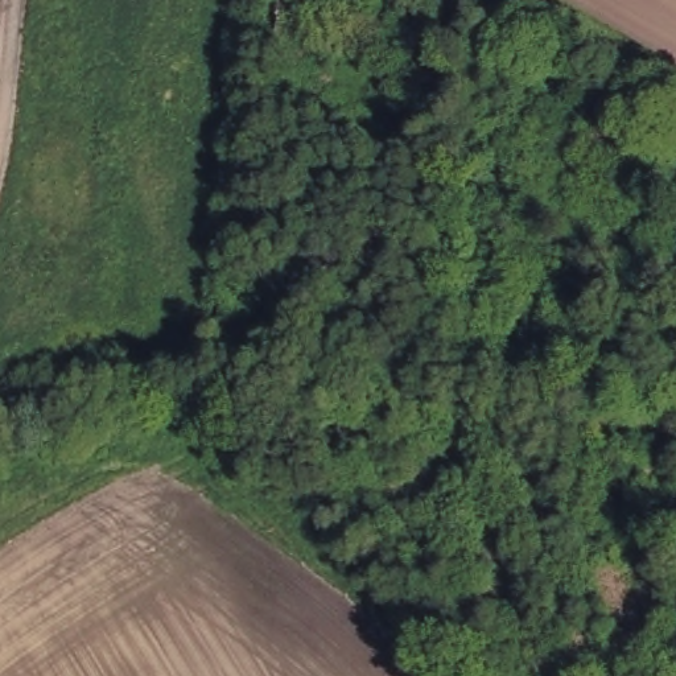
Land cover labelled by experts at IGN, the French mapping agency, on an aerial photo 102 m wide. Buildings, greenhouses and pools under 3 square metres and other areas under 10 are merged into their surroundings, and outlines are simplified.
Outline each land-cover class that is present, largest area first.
<instances>
[{"label":"coniferous trees","instance_id":"1","mask_svg":"<svg viewBox=\"0 0 676 676\"><path fill-rule=\"evenodd\" d=\"M214 13H227L243 21L240 61L224 71L230 106L251 103L254 114L243 124L235 143L217 140L219 182L227 187V193H217L211 198V209L227 211L232 224L224 227L211 243V275L201 285H195L193 293L182 301L164 298L161 325L151 335H132L119 330L90 335L63 349L37 346L26 354L11 356L0 372V483L11 475L34 467L37 462H48L50 457H87L103 446V436L111 428L148 409L153 391L169 393L174 399L169 430L182 438L187 452L198 457L211 475H227L235 481V499L272 507L283 502H296V510L304 515V536L312 544H333L346 536V531L354 523H362L364 515L375 512L367 499L351 502L349 496L322 494V475L341 465V454L351 452L354 441L370 438V430L330 425L325 430L312 425V420H296L301 409H309L317 401V388L338 391L343 401H367L375 417L380 420H388V412H404L412 401L428 404L436 401V396H446L452 391L454 428L446 452L430 457L428 465L409 483H401L399 489H386L388 502L393 504L417 502L425 491L436 486L444 470L459 467L462 462H475L478 457H494L499 449L504 454H512V446H523L528 457H533L539 452V441L544 436H555V428L568 430L573 423L581 420L584 409H597V393L605 388L607 378L631 375L639 401L650 399L652 393L676 388V251L668 259L655 256L650 248H639L636 240L623 230H613L610 235H594L578 219L570 235L557 238L552 243L562 248L560 267L539 280V288L531 296L525 314L518 320L512 333L502 343H486L483 338H441L438 330L446 309V296L430 293L425 277L449 275L452 256L457 254L452 232H438L430 224L436 217V203L446 190V182H441V164L436 158V148L452 143V127L433 124L423 132L409 135L404 127L415 116L428 114L433 108L436 98L449 82L459 85L465 79L481 77V48L486 53L499 50L504 42L515 37V24L539 21L541 16H549L555 21V29H568L570 24L589 26L594 29V48H613L618 53L605 82L599 87L586 90L584 100L565 114L562 135L555 143V153L565 174H578L581 169H586L599 148L626 145L636 108L647 100V95H652L660 106L676 111V58L665 50H650L623 37L602 18L573 8L565 0H217ZM285 32L298 42H306L309 50H317L322 55H327L330 50H343L346 63L367 79L362 92L343 103H333L317 90L290 85L283 77L280 55L269 48L272 34L280 37ZM660 177V172L636 156H626L615 172L618 190L626 198H639L642 193L655 190V180ZM642 436L650 441L655 489L626 486L618 478L610 483L607 499L602 502V515L613 523L628 568L644 562L647 552L644 547H639L636 533L658 512H676V409H665L658 423L642 425ZM483 549L489 552V560L494 565V586L473 597L454 599L452 605L433 607L420 602L409 592V576L415 570H430L438 562V552H433L428 533L401 531L391 539V544H372L370 552L356 555L349 562L346 576H359L364 589H372L375 599L391 605V621L401 628L407 621L423 623L425 618H433L441 626H467L475 618L478 607L494 599L504 602L518 621L528 618V602L523 594L531 589L533 573L528 568L512 570V560H507L499 549L496 528L483 531ZM584 655H594L602 663L605 676H615V660L626 655V647L610 636L605 642L584 639L552 650L541 660L539 676H560V671L573 668Z\"/></svg>","mask_w":676,"mask_h":676},{"label":"deciduous trees","instance_id":"2","mask_svg":"<svg viewBox=\"0 0 676 676\"><path fill-rule=\"evenodd\" d=\"M618 53L613 48H594V29L589 26L570 24L568 29H555V21L549 16H541L539 21L515 24V37L504 42L499 50L486 53L481 48V77L465 79L459 85L449 82L436 98L433 108L428 114L415 116L404 127L409 135L423 132L433 124L452 127V143L436 148V158L441 164V182H446V190L436 203V217L430 224L438 232H452L457 254L452 256L449 275L425 277L430 293L446 296V309L438 330L441 338H483L486 343H502L512 333L518 320L525 314L531 296L539 288V280L560 267L562 248L552 243L557 238L570 235L578 219L594 235H610L613 230H623L636 240L639 248H650L655 256L668 259L676 251V111L660 106L652 95H647V100L636 108L626 145L599 148L586 169H581L578 174H565L555 153V143L562 135L565 114L584 100L586 90L599 87L605 82ZM626 156H636L660 172V177L655 180V190L642 193L639 198H626L618 190L615 172ZM269 48L280 55L283 77L290 85L317 90L333 103H343L362 92L367 79L346 63L343 50H330L327 55H322L317 50H309L306 42H298L285 32L280 37L272 34ZM317 401L309 409H301L296 420H312V425L325 430L330 425L370 430V438L354 441L351 452L341 454V465L322 475V494L349 496L351 502L367 499L375 512L364 515L362 523H354L346 531V536L333 544V557L349 562L356 555L370 552L372 544H391V539L401 531L428 533L433 552H438V562L430 570H415L409 576V592L420 602L433 607L452 605L454 599L473 597L494 586V565L489 560V552L483 549V531L496 528L499 549L507 560H512V570L528 568L533 573L531 589L523 594L528 602V618L518 621L504 602L494 599L478 607L475 618L467 626H441L433 618H425L423 623L407 621L401 628L396 660L412 676H539L541 660L552 650L584 639L605 642L610 636L615 628L618 610H605L594 576L597 568H621L626 562L613 523L602 515V502L607 499L610 483L618 478L626 486L655 489L650 441L642 436V425L658 423L665 409H676V388L652 393L650 399L639 401L631 375L607 378L605 388L597 393V409H584L581 420L573 423L568 430L555 428V436H544L539 441V452L533 457H528L523 446H512V454H504L499 449L494 457H478L475 462H462L459 467L444 470L436 486L425 491L417 502L393 504L388 502L386 489H399L401 483H409L428 465L430 457L446 452L454 428L452 391L446 396H436V401L428 404L412 401L404 412H388V420H380L375 417L367 401H343L338 391L317 388ZM174 399L169 393L153 391L148 409L111 428L103 436V441L127 444L129 438H164L169 430ZM639 547H644L647 552L644 562L642 570L655 584L658 605L650 613L647 626L626 647V655L615 660V676H676V512H658L636 533ZM560 676H605L602 663L594 655H584L573 668L560 671Z\"/></svg>","mask_w":676,"mask_h":676},{"label":"herbaceous vegetation","instance_id":"3","mask_svg":"<svg viewBox=\"0 0 676 676\"><path fill-rule=\"evenodd\" d=\"M217 0H24L16 119L5 180L0 190V372L11 356L26 354L37 346L63 349L90 335L119 330L132 335H151L161 325L164 298L182 301L193 293L195 285H201L211 275V243L224 227L232 224L227 211L211 209V198L217 193H227V187L219 182L217 140L235 143L243 124L254 114L251 103L230 106L224 71L240 61L243 21L227 13H214ZM148 465H158L164 475H172L180 483L198 489L222 512L235 515L264 541L285 552L290 560L306 565L314 576L338 586L343 594L356 599L364 589L359 576H346L349 562L333 557V544H312L304 536V515L296 510V502H283L272 507L235 499V481L227 475H211L198 457L187 452L182 438L169 430L164 438H129L127 444L103 441V446L87 457H50L48 462H37L34 467L11 475L0 483V547L16 539L18 533L34 528L37 523L53 518L55 512L66 510L69 504L82 502L92 491H100L116 478L143 473V467ZM644 562L628 568L626 562L621 568H597L594 576L605 610H618L615 628L610 636L626 647L647 626L650 613L658 605L655 584L642 570Z\"/></svg>","mask_w":676,"mask_h":676},{"label":"agricultural land","instance_id":"4","mask_svg":"<svg viewBox=\"0 0 676 676\"><path fill-rule=\"evenodd\" d=\"M24 0H0V190L5 180L16 119ZM573 8L602 18L623 37L650 50H665L676 58V0H565ZM401 628L391 621V605L375 599L372 589H364L356 599L343 594L338 586L314 576L306 565L290 560L285 552L264 541L235 515L222 512L198 489L180 483L172 475H164L158 465H148L143 467V473L116 478L100 491H92L82 502L69 504L66 510L55 512L53 518L37 523L34 528L18 533L16 539L0 547V676H412L396 660Z\"/></svg>","mask_w":676,"mask_h":676}]
</instances>
